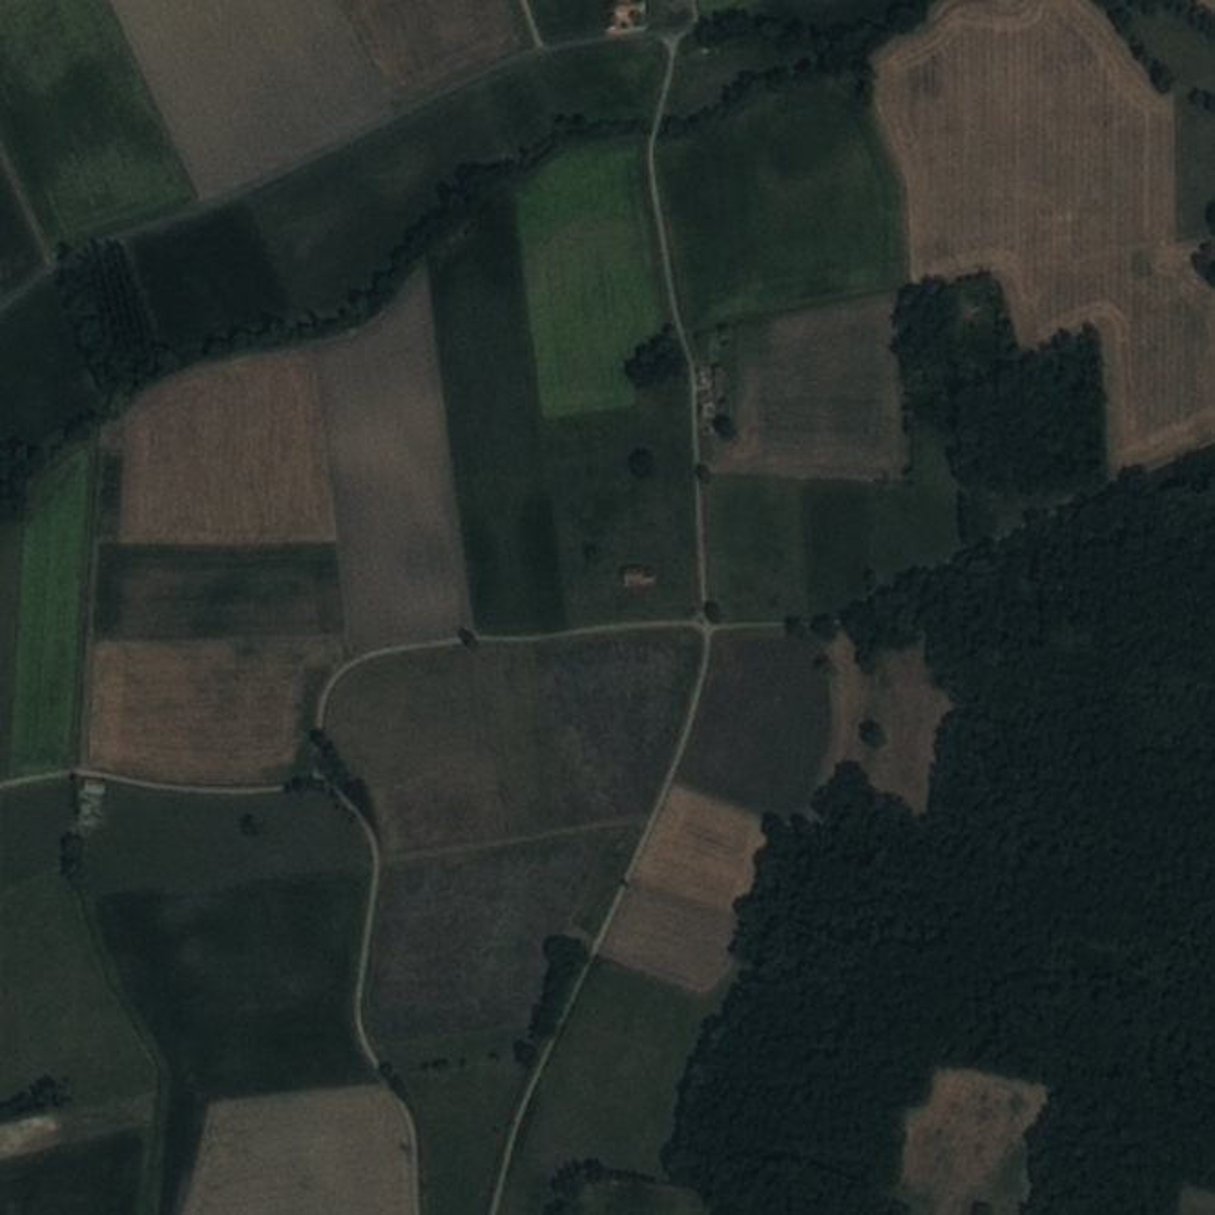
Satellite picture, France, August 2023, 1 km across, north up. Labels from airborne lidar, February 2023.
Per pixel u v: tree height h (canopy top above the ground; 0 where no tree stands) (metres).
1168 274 0
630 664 0
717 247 0
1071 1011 27
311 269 0
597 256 0
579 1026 0
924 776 0
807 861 23
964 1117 0
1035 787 19
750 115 0
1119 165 0
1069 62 0
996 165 0
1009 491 23
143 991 0
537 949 0
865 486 0
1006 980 15
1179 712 14
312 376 0
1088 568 22
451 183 0
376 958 0
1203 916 23
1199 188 0
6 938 0
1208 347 0
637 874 0
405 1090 13
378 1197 0
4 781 0
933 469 0
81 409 0
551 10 0
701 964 0
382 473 0
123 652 0
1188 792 19
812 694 0
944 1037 24
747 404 0
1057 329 0
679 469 0
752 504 0
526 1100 0
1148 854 24
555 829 0
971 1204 0
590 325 0
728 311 0
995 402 22
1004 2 0
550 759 0
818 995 30
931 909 25
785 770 0
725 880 0
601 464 0
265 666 0
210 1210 0
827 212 0
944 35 0
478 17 0
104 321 15
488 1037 0
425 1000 0
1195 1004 19
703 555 0
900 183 0
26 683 0
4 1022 0
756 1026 25
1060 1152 24
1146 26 0
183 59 0
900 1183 11
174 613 0
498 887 0
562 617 0
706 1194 12
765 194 0
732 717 0
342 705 0
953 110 0
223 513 0
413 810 0
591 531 0
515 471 0
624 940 0
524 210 0
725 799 0
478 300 0
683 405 0
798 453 0
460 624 0
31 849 0
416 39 0
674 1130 0
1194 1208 0
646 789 0
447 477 0
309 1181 0
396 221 0
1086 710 19
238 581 0
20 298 0
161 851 0
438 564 0
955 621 21
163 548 0
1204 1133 21
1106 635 18
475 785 0
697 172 0
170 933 0
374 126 0
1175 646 21
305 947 0
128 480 0
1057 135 0
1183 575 23
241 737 0
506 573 0
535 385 0
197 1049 0
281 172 0
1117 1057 25
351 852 0
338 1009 0
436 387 0
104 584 0
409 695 0
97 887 0
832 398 0
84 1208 0
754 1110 26
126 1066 0
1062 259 0
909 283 0
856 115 0
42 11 0
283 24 0
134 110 0
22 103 0
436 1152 0
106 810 0
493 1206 0
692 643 0
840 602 0
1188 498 20
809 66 12
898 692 0
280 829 0
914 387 9
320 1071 0
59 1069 0
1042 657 20
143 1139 0
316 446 0
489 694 0
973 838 16
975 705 15
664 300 0
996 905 17
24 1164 0
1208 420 0
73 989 0
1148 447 0
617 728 0
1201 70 0
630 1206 0
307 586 0
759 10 0
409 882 0
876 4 0
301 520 0
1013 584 23
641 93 0
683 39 0
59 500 0
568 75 0
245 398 0
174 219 0
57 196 0
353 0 0
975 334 29
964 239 0
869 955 26
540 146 6
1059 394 22
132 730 0
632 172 0
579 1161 0
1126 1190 21
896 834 23
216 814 0
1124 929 27
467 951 0
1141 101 0
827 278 0
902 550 0
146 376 12
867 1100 25
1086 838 24
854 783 23
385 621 0
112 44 0
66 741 0
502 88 0
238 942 0
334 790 12
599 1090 0
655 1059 0
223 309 0
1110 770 24
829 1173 24
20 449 18
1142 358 0
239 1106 0
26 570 0
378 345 0
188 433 0
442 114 0
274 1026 0
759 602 0
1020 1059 20
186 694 0
